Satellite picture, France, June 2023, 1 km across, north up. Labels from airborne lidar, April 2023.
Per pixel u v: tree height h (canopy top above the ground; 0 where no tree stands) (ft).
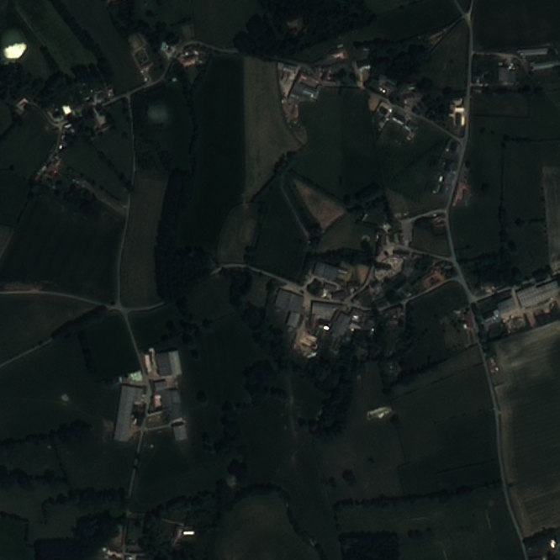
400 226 0
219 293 0
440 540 0
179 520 0
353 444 0
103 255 0
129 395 0
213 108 0
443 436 0
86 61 0
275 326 0
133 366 0
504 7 0
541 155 0
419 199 0
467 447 0
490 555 0
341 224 0
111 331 0
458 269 0
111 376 0
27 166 0
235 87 0
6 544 0
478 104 0
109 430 0
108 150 0
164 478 0
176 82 0
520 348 0
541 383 0
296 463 0
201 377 0
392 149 0
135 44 0
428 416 0
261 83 0
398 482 0
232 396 0
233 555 0
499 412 0
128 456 0
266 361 0
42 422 0
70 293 0
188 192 65
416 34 0
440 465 0
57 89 47
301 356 0
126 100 32
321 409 0
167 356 0
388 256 0
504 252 53
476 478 0
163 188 0
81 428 92
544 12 0
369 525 0
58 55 0
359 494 0
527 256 0
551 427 0
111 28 0
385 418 0
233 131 0
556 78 0
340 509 34
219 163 0
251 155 0
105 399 0
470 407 0
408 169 0
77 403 0
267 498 0
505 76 0
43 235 0
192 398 0
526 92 42
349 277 0
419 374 22
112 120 56
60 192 25
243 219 0
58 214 0
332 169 0
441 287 0
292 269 0
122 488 0
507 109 0
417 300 0
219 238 0
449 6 0
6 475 108
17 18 0
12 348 0
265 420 0
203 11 0
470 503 0
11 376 0
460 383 0
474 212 0
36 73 0
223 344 0
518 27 0
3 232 0
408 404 0
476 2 0
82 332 37
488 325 0
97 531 121
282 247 0
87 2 0
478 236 0
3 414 0
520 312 0
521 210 0
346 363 51
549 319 0
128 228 0
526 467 0
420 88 47
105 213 0
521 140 29
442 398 0
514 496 0
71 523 0
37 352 0
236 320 0
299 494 0
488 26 0
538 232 0
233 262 0
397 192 0
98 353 0
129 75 0
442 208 0
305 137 0
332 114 0
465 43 0
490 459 0
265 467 0
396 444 0
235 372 0
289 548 0
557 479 0
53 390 0
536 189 0
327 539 0
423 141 0
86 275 0
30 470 0
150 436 0
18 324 0
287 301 0
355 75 52
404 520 0
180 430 0
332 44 0
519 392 0
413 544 0
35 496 0
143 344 0
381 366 25
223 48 0
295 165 0
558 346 0
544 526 0
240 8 0
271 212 0
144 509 0
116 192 0
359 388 0
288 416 0
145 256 0
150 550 23
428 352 0
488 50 0
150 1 0
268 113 0
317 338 0
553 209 0
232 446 64
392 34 0
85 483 0
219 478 0
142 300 0
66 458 0
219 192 0
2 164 0
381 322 22
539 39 0
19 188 0
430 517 0
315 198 0
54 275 0
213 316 0
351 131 0
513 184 0
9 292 0
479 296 0
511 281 38
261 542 0
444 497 49
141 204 0
